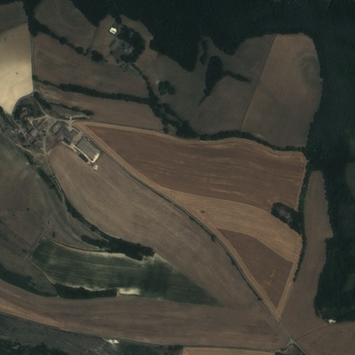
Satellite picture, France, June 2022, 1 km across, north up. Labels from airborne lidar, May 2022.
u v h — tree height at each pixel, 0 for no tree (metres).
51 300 0
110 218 0
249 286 0
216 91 0
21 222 0
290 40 0
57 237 0
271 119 0
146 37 0
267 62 0
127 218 0
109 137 0
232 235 0
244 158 0
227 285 0
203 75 0
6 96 0
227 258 0
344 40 15
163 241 0
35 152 0
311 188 0
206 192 0
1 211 0
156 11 20
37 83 0
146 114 0
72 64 0
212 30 28
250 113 0
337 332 0
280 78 0
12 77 0
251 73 0
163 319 0
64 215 0
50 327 0
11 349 7
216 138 15
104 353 0
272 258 0
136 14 20
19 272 0
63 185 0
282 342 0
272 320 0
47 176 8
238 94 0
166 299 0
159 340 0
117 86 0
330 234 0
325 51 17
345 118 13
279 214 10
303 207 8
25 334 0
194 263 0
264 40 0
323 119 17
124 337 0
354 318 13
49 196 0
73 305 0
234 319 0
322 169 13
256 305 0
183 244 0
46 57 0
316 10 19
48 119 0
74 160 0
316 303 10
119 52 0
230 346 0
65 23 0
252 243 0
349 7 23
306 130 0
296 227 12
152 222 0
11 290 0
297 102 0
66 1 0
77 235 0
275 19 20
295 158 0
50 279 0
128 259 0
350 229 16
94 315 0
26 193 0
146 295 0
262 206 0
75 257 0
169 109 15
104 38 0
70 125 0
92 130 0
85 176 0
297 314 0
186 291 0
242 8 17
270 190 0
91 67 0
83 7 13
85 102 0
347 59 13
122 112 0
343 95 12
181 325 0
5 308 0
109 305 0
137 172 0
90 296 12
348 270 18
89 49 6
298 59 0
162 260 0
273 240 0
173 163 0
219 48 19
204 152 0
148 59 0
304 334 0
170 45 24
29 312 0
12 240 0
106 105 0
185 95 0
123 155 0
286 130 0
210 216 0
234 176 0
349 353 0
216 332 0
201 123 0
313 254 0
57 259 0
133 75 0
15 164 0
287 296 0
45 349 9
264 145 9
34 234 0
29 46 0
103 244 14
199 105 0
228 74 13
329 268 10
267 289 0
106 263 0
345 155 12
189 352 0
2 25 0
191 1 21
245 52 0
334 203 13
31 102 0
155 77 0
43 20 0
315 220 0
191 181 0
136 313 0
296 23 18
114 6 14
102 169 0
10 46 0
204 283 0
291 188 0
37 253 0
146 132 0
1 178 0
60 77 0
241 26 14
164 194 0
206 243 0
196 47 23
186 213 0
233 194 0
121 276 0
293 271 0
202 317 0
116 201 0
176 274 0
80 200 0
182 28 25
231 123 0
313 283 0
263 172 0
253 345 0
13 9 0
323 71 14
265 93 0
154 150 0
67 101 0
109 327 0
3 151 0
